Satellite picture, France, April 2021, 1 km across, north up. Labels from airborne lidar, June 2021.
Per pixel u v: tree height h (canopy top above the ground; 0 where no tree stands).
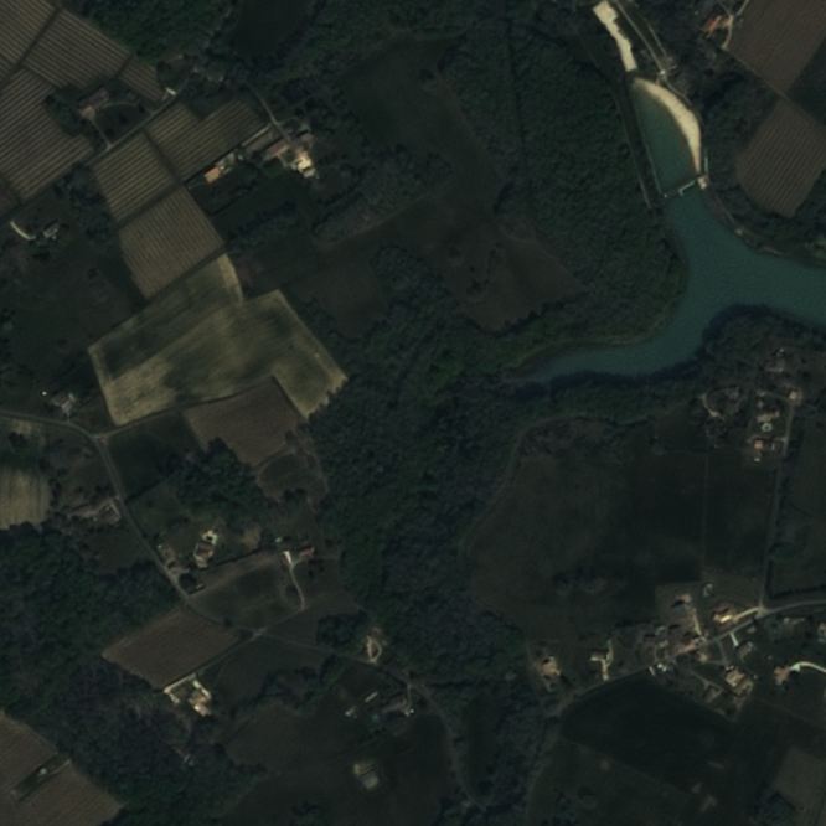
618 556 0
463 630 25
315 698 12
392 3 24
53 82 0
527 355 26
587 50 0
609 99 24
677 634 0
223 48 16
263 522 20
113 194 0
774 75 0
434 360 18
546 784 0
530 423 9
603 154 18
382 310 0
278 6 0
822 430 9
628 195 20
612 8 0
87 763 19
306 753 0
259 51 0
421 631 22
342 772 0
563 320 21
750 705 0
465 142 0
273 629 0
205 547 0
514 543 0
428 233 0
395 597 24
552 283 0
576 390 23
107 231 15
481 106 18
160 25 17
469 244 0
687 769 0
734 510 0
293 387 0
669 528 0
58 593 21
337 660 10
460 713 13
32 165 0
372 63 0
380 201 16
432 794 0
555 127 19
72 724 14
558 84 19
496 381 22
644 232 19
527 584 0
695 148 0
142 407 0
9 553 26
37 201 0
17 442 16
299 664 0
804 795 0
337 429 11
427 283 13
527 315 0
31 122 0
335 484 14
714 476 0
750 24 0
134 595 22
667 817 0
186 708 0
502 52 22
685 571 0
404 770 0
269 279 0
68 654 16
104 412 0
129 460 0
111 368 0
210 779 18
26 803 0
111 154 0
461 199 0
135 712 7
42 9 0
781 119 0
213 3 20
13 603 14
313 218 0
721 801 0
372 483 6
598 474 0
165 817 25
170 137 0
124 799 21
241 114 0
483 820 18
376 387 17
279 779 0
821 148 0
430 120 0
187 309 0
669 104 0
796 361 9
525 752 19
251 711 17
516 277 0
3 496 0
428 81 17
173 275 0
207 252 0
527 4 31
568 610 0
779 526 7
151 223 0
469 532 12
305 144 0
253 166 11
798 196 0
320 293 0
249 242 19
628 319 16
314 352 0
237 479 21
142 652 0
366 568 22
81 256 0
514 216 19
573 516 0
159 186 0
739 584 0
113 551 0
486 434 21
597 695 0
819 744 0
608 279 17
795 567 0
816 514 0
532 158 22
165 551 0
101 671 12
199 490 21
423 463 19
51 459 16
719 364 13
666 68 0
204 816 20
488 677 20
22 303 0
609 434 18
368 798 0
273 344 0
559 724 12
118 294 0
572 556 0
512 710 8
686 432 0
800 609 0
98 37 0
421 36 21
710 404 0
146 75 0
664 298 20
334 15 21
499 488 17
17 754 0
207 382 0
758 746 0
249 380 0
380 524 19
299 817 18
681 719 0
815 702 0
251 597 0
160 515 0
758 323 18
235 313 0
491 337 15
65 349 14
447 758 0
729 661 0
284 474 0
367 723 0
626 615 0
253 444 0
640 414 14
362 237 0
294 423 0
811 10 0
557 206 18
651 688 0
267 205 0
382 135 0
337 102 18
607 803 0
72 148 0
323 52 21
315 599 0
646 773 0
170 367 0
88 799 0
